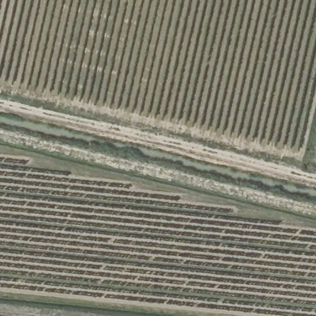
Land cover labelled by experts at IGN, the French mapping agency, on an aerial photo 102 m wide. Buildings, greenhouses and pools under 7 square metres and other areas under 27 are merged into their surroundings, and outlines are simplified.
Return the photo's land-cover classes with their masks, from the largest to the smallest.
<instances>
[{"label":"vineyard","instance_id":"1","mask_svg":"<svg viewBox=\"0 0 316 316\"><path fill-rule=\"evenodd\" d=\"M77 96L80 100L93 102L96 106L126 109L142 116L157 117L160 121L179 123L183 118L185 126H201L206 131H215L217 136H241L249 142L256 139L263 144L272 142L276 148L283 149L286 146L295 152H299L302 144L306 147L316 110V0H0V98L52 110L54 105L73 106V100ZM202 146L301 169L302 159L238 149L232 144L206 138H201L199 142ZM0 288L279 316H316V215L302 214L300 211L263 204L246 197L207 190L179 183L177 180L160 179L138 173L136 170L112 168L106 164L95 163L94 160L89 162L65 156L64 153L44 151L27 144H12L0 139ZM0 304L109 316H197L180 311L170 314L137 306L96 304L57 297L0 295Z\"/></svg>","mask_w":316,"mask_h":316},{"label":"herbaceous vegetation","instance_id":"2","mask_svg":"<svg viewBox=\"0 0 316 316\"><path fill-rule=\"evenodd\" d=\"M0 139L12 144H27L44 151L64 153L65 156L89 162L94 160L95 163L106 164L112 168L136 170L138 173L160 179L177 180L179 183L207 190L246 197L263 204L300 211L302 214L316 215V186H307L305 180L301 179L274 178L231 165L210 163L184 154L164 151L146 144L73 130L62 125L60 121L36 115L0 111ZM79 144H94L109 147L112 151L133 152L139 159L112 157L109 154L79 148ZM57 297L96 304L137 306L170 314L180 311L197 316H279L0 288V295ZM0 316H109L0 304Z\"/></svg>","mask_w":316,"mask_h":316},{"label":"pervious surface","instance_id":"3","mask_svg":"<svg viewBox=\"0 0 316 316\"><path fill-rule=\"evenodd\" d=\"M0 111L36 115L60 121L62 125L73 130L146 144L164 151L184 154L210 163L231 165L274 178L301 179L305 180L307 186H316V174L306 173L301 169L202 146L199 142L201 138H206L232 144L238 149L302 159L306 147L302 144L299 152H295L286 146L283 149L276 148L272 142L263 144L256 139L249 142L241 136H217L215 131H206L201 126H185L183 118L179 123L160 121L157 117L142 116L126 109L96 106L93 102L80 100L77 96L73 100V106L54 105L52 110L0 98Z\"/></svg>","mask_w":316,"mask_h":316},{"label":"deciduous trees","instance_id":"4","mask_svg":"<svg viewBox=\"0 0 316 316\"><path fill-rule=\"evenodd\" d=\"M306 173L316 174V110L306 147L302 159L301 169ZM79 148L109 154L112 157L139 159L133 152L112 151L109 147L94 144H79Z\"/></svg>","mask_w":316,"mask_h":316}]
</instances>
